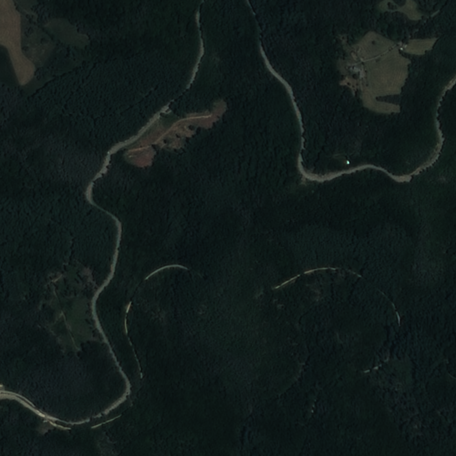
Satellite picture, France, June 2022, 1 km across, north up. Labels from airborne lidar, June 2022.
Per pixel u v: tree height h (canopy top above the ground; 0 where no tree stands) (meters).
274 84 19
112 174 18
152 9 18
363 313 13
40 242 25
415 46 0
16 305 20
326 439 18
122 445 14
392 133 20
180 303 20
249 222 20
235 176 21
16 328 18
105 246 32
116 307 15
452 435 19
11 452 24
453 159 17
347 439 12
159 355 17
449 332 18
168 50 16
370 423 14
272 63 13
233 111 25
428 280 16
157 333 20
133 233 16
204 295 16
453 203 23
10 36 0
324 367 14
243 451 22
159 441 17
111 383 16
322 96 13
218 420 21
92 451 15
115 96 34
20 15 0
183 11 20
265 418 22
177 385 22
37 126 19
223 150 26
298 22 22
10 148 21
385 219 15
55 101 26
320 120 16
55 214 31
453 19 19
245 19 23
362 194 15
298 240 30
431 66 17
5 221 30
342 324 12
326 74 13
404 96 11
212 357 22
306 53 16
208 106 24
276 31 21
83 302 0
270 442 15
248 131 23
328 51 15
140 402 12
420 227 11
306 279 24
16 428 14
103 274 12
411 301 21
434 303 28
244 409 17
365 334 13
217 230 23
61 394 16
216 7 32
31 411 12
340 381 16
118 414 14
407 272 12
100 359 29
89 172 16
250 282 19
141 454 16
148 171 23
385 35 9
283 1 12
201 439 17
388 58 0
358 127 14
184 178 26
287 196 6
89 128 33
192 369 17
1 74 0
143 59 30
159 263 12
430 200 19
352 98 11
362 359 13
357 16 20
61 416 12
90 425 17
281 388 23
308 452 23
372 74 0
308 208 22
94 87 30
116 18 19
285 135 21
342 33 12
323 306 14
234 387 25
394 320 17
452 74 16
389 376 10
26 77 0
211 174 11
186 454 21
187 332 10
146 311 8
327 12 18
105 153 18
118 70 34
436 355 18
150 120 28
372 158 17
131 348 15
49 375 21
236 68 16
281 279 16
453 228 24
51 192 22
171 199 26
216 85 20
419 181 19
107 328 11
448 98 27
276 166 16
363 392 16
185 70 18
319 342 20
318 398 9
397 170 15
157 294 11
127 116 37
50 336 22
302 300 22
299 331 19
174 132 0
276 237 18
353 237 23
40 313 21
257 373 14
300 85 18
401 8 0
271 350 9
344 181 23
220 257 17
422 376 24
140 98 34
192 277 25
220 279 16
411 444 16
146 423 16
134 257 10
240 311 11
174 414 21
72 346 0
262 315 15
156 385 16
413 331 28
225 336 14
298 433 22
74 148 21
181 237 22
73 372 20
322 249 26
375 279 23
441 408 17
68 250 29
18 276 30
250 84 6
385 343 14
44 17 16
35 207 33
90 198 0
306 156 18
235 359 19
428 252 18
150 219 20
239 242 12
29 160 22
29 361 19
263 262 23
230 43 24
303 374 17
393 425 13
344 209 15
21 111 18
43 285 24
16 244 16
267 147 13
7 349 16
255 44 20
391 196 14
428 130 24
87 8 17
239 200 16
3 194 28
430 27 13
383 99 14
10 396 0
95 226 28
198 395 24
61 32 0
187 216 24
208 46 17
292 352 24
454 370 14
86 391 16
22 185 12
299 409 17
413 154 12
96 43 17
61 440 22
